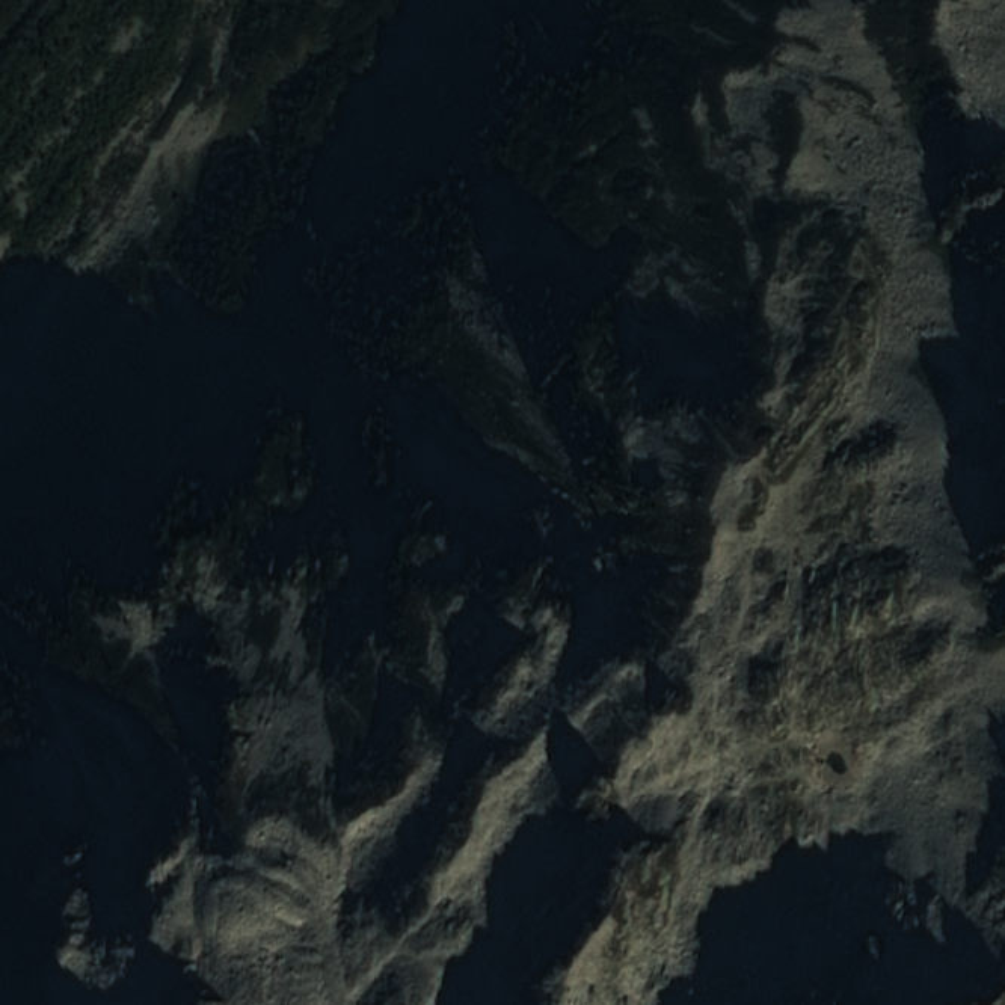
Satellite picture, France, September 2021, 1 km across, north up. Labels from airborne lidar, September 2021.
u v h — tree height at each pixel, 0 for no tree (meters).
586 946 0
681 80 0
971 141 0
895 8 0
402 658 0
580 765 0
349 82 0
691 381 0
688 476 0
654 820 0
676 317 0
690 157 0
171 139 0
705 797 0
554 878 0
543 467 0
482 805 0
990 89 0
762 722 0
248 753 0
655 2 0
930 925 0
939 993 0
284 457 0
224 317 0
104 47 6
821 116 0
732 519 0
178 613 0
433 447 0
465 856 0
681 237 0
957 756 0
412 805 0
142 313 0
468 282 0
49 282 7
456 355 0
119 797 0
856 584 0
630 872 0
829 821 0
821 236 0
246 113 0
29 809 0
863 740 0
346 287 5
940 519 0
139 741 0
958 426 0
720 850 0
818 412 0
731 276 0
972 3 0
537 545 0
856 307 0
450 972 0
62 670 0
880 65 0
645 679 0
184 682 0
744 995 0
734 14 0
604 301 9
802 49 0
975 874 0
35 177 7
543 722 0
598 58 6
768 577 0
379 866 0
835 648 0
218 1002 0
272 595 0
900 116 0
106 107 8
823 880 0
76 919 0
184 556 0
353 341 6
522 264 0
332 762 0
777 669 0
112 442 11
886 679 0
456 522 0
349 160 0
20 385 0
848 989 0
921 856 0
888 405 0
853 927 0
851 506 0
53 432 0
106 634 0
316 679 0
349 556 0
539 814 0
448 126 6
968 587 0
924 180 0
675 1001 0
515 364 0
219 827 0
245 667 0
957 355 0
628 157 0
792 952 0
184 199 0
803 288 0
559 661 0
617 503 11
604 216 0
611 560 0
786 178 0
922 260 0
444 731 0
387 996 0
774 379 0
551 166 0
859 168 0
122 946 0
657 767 0
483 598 0
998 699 0
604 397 0
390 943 0
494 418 0
